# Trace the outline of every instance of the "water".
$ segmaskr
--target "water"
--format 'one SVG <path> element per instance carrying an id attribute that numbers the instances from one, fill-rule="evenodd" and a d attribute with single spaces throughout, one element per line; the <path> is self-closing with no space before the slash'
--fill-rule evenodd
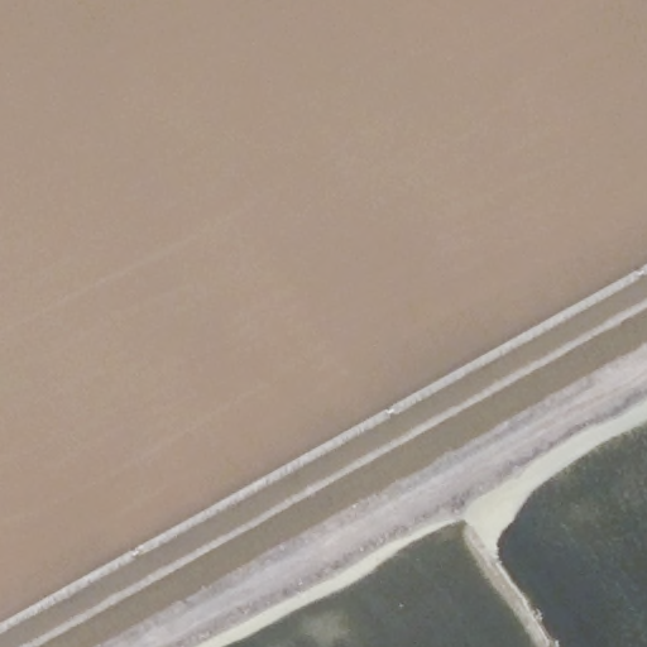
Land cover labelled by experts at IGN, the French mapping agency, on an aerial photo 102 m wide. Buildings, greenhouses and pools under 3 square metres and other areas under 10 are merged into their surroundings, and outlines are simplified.
<path id="1" fill-rule="evenodd" d="M 543 629 L 551 639 L 559 642 L 559 647 L 647 647 L 647 422 L 602 442 L 599 447 L 581 455 L 569 468 L 541 483 L 526 498 L 511 526 L 498 538 L 500 564 L 518 584 L 518 589 L 528 596 L 531 607 L 541 614 Z"/>
<path id="2" fill-rule="evenodd" d="M 361 498 L 382 493 L 394 480 L 425 470 L 445 452 L 460 450 L 470 440 L 500 425 L 503 420 L 533 407 L 548 394 L 574 384 L 581 377 L 599 372 L 602 366 L 647 344 L 647 311 L 627 318 L 617 329 L 604 331 L 602 336 L 564 354 L 548 366 L 518 379 L 516 384 L 495 392 L 475 407 L 445 420 L 442 425 L 427 430 L 412 442 L 382 455 L 379 460 L 359 468 L 339 483 L 291 505 L 288 511 L 273 516 L 258 528 L 200 556 L 197 561 L 121 599 L 106 612 L 91 617 L 88 622 L 63 632 L 61 637 L 40 647 L 96 647 L 121 634 L 124 629 L 149 619 L 152 614 L 164 612 L 174 602 L 192 596 L 202 586 L 215 584 L 220 576 L 233 574 L 235 569 L 255 561 L 268 548 L 301 536 L 303 531 L 324 523 L 334 513 L 349 508 Z"/>
<path id="3" fill-rule="evenodd" d="M 389 442 L 409 427 L 425 422 L 427 417 L 463 402 L 465 397 L 488 387 L 490 382 L 511 374 L 513 369 L 548 354 L 564 341 L 624 311 L 627 306 L 647 298 L 647 275 L 0 634 L 0 647 L 18 647 L 38 637 L 40 632 L 61 624 L 63 619 L 83 612 L 86 607 L 101 602 L 104 596 L 139 581 L 154 569 L 190 553 L 192 548 L 212 541 L 215 536 L 240 526 L 243 521 L 250 521 L 273 503 L 344 468 L 364 452 Z"/>
<path id="4" fill-rule="evenodd" d="M 372 574 L 349 584 L 346 589 L 316 599 L 227 647 L 536 647 L 523 622 L 485 579 L 478 559 L 473 556 L 465 541 L 465 523 L 452 523 L 404 546 L 392 559 L 379 564 Z"/>
<path id="5" fill-rule="evenodd" d="M 647 263 L 647 0 L 0 0 L 0 622 Z"/>

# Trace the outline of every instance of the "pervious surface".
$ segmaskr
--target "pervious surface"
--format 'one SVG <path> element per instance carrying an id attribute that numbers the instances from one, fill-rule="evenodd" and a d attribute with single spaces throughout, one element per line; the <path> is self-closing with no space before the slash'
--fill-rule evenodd
<path id="1" fill-rule="evenodd" d="M 500 564 L 498 538 L 511 526 L 526 498 L 541 483 L 569 468 L 581 455 L 599 447 L 602 442 L 647 422 L 647 344 L 602 366 L 599 372 L 581 377 L 574 384 L 548 394 L 533 407 L 503 420 L 500 425 L 470 440 L 460 450 L 445 452 L 425 470 L 394 480 L 382 493 L 361 498 L 349 508 L 334 513 L 324 523 L 303 531 L 301 536 L 268 548 L 255 561 L 235 569 L 233 574 L 220 576 L 215 584 L 202 586 L 192 596 L 174 602 L 164 612 L 152 614 L 149 619 L 124 629 L 121 634 L 96 647 L 227 647 L 316 599 L 346 589 L 349 584 L 372 574 L 379 564 L 392 559 L 404 546 L 452 523 L 465 523 L 465 541 L 473 556 L 478 559 L 485 579 L 523 622 L 536 647 L 559 647 L 559 642 L 551 639 L 543 629 L 541 614 L 531 607 L 528 596 L 518 589 L 518 584 Z"/>
<path id="2" fill-rule="evenodd" d="M 0 622 L 0 634 L 647 275 L 647 263 Z"/>
<path id="3" fill-rule="evenodd" d="M 624 311 L 564 341 L 548 354 L 513 369 L 511 374 L 490 382 L 488 387 L 465 397 L 463 402 L 427 417 L 425 422 L 409 427 L 389 442 L 364 452 L 344 468 L 273 503 L 250 521 L 243 521 L 240 526 L 215 536 L 212 541 L 192 548 L 190 553 L 154 569 L 139 581 L 104 596 L 101 602 L 86 607 L 83 612 L 63 619 L 61 624 L 40 632 L 38 637 L 18 647 L 40 647 L 61 637 L 63 632 L 88 622 L 91 617 L 106 612 L 121 599 L 197 561 L 200 556 L 258 528 L 273 516 L 288 511 L 291 505 L 339 483 L 359 468 L 379 460 L 382 455 L 412 442 L 427 430 L 442 425 L 445 420 L 475 407 L 495 392 L 516 384 L 518 379 L 548 366 L 564 354 L 602 336 L 604 331 L 617 329 L 627 318 L 647 311 L 647 298 L 627 306 Z"/>

